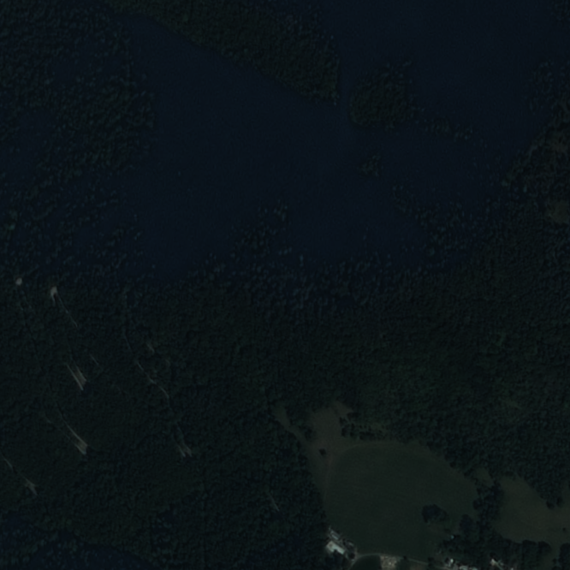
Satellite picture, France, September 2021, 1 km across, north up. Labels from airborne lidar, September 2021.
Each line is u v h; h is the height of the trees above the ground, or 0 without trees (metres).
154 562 31
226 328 24
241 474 37
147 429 26
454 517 0
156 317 22
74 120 22
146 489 22
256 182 33
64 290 16
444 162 20
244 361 22
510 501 0
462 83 14
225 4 23
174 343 20
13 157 27
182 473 25
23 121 23
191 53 29
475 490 0
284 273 37
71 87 24
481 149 20
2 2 34
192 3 22
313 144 9
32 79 29
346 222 27
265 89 20
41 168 34
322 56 28
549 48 29
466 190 26
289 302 32
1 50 27
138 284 25
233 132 35
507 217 26
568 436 16
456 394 20
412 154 20
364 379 21
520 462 18
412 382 19
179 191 30
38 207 25
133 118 31
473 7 31
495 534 14
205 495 28
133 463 31
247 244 31
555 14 24
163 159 24
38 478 22
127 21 27
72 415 21
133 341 23
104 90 34
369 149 28
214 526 24
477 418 21
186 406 30
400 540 0
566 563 22
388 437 12
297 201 46
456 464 23
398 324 19
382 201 21
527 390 10
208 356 30
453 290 20
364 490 0
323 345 24
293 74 21
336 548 0
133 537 31
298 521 20
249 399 21
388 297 28
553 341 18
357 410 18
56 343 22
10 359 26
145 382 23
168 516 7
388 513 0
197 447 23
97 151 32
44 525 28
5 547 25
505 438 18
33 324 21
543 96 28
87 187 34
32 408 24
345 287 30
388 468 0
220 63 26
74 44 33
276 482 27
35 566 24
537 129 26
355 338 23
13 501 26
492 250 23
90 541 35
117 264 30
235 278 31
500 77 22
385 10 31
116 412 22
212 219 38
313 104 24
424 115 23
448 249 30
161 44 33
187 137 25
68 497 30
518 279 21
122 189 32
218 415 24
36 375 20
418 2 13
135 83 26
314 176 16
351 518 0
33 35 29
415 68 33
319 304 30
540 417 17
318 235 31
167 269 30
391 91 26
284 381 24
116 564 36
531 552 21
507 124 26
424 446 13
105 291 24
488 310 24
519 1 12
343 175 32
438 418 13
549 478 20
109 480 22
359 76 26
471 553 10
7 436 24
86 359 17
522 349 16
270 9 27
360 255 29
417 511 0
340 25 33
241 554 29
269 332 26
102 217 26
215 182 28
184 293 26
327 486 0
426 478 0
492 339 27
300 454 15
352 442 0
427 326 20
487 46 12
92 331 21
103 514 31
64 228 30
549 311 25
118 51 24
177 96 31
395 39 18
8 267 18
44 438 23
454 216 22
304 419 14
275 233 36
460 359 23
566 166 7
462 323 21
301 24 32
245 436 27
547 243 31
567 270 24
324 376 24
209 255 35
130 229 31
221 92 37
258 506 25
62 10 26
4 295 19
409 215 21
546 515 0
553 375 15
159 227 34
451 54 20
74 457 18
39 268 15
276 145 30
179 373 25
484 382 24
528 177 7
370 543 0
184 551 31
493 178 24
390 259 21
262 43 19
